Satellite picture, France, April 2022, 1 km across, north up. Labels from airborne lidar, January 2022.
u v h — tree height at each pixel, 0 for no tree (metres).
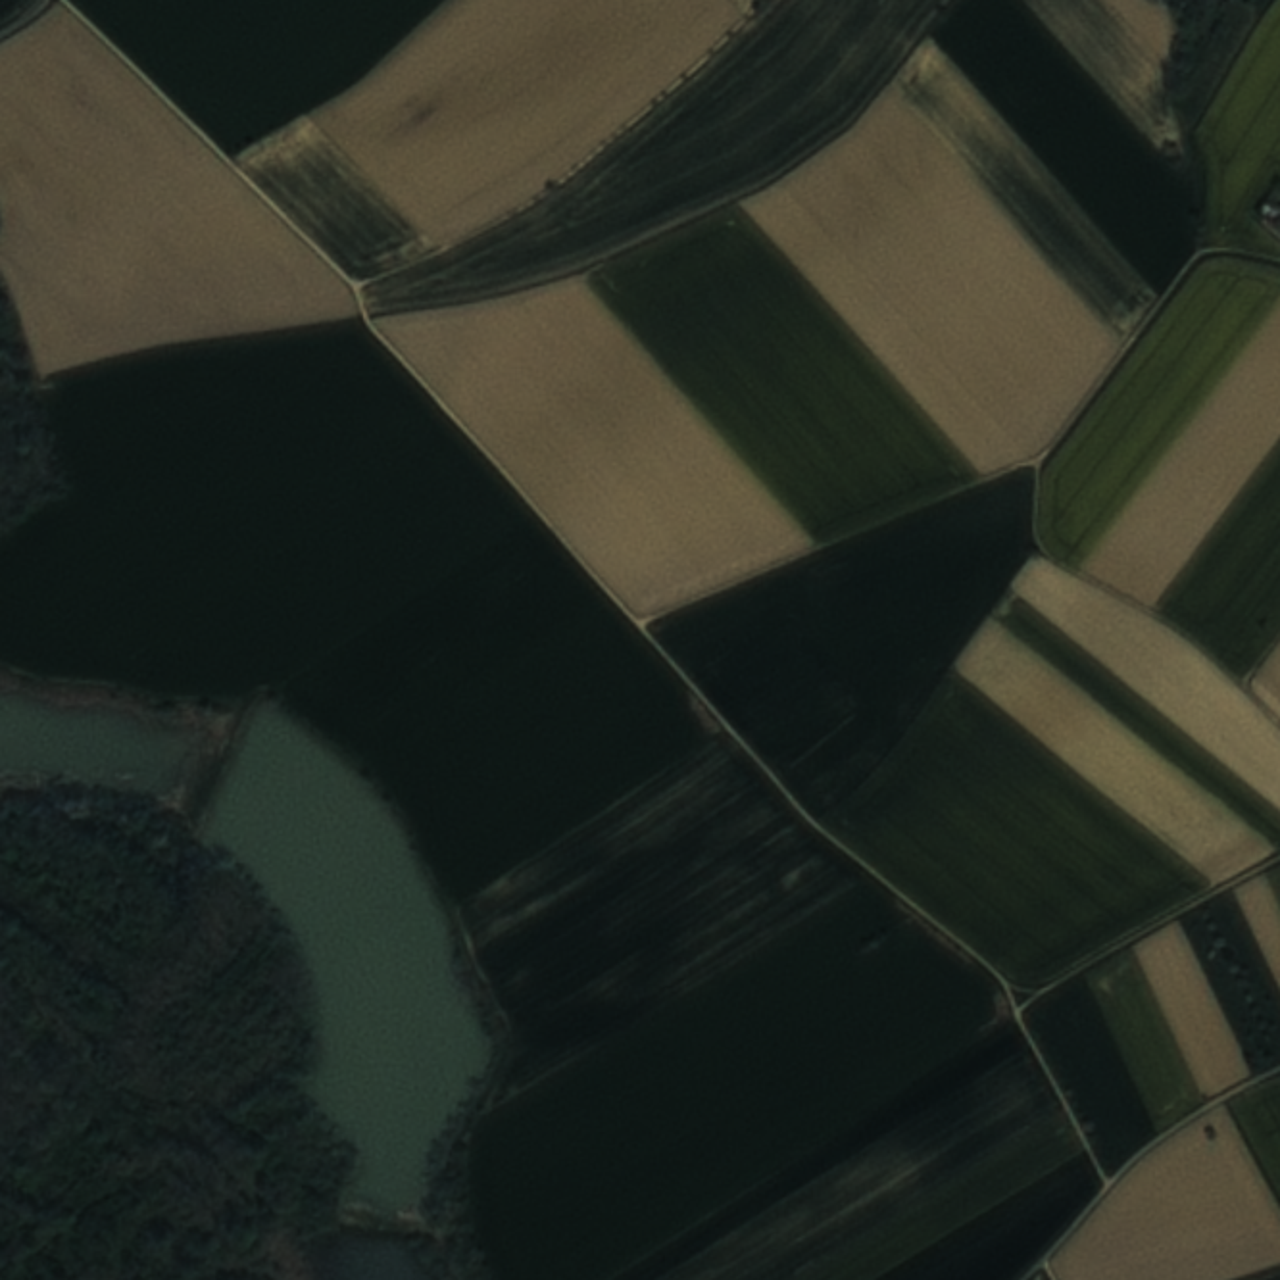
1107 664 0
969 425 0
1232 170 0
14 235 0
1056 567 0
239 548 0
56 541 0
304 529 0
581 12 0
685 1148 0
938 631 0
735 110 0
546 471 0
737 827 0
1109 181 0
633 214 0
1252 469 0
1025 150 0
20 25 0
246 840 0
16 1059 28
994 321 0
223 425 0
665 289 0
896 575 0
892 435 0
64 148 0
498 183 0
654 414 0
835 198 0
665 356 0
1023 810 0
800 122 0
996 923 0
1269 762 0
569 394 0
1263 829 0
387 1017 0
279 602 0
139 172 0
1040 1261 0
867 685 0
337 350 0
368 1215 0
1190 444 0
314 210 0
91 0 0
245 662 0
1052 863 0
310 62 0
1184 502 0
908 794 0
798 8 0
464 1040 0
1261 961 0
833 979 0
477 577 0
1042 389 0
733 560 0
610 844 0
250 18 0
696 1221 0
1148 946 0
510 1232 0
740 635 0
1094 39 0
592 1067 0
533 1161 0
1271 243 0
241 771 0
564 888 0
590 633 0
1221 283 0
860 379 0
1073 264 0
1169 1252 0
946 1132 0
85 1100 26
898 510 0
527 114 0
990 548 0
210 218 0
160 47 0
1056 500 0
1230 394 0
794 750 0
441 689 0
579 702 0
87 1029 30
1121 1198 0
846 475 0
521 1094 0
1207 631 0
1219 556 0
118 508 0
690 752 0
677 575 0
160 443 0
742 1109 0
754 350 0
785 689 0
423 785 0
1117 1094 0
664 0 0
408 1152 0
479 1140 0
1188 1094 0
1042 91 0
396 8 0
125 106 0
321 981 0
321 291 0
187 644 0
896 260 0
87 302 0
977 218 0
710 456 0
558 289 0
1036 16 0
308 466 0
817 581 0
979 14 0
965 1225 0
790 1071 0
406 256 0
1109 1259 0
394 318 0
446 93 0
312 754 0
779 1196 0
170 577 0
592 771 0
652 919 0
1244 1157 0
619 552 0
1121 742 0
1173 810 0
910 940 0
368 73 0
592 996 0
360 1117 0
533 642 0
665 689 0
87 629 0
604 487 0
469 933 0
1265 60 0
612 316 0
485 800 0
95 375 0
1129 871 0
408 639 0
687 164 0
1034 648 0
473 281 0
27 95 0
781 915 0
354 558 0
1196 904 0
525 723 0
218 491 0
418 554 0
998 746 0
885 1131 0
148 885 33
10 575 0
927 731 0
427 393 0
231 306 0
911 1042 0
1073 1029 0
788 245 0
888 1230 0
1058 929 0
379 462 0
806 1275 0
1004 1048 0
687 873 0
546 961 0
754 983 0
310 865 0
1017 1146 0
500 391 0
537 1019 0
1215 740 0
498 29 0
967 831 0
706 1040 0
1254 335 0
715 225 0
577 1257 0
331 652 0
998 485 0
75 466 0
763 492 0
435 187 0
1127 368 0
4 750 0
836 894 0
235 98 0
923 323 0
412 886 0
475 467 0
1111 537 0
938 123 0
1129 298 0
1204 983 0
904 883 0
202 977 7
